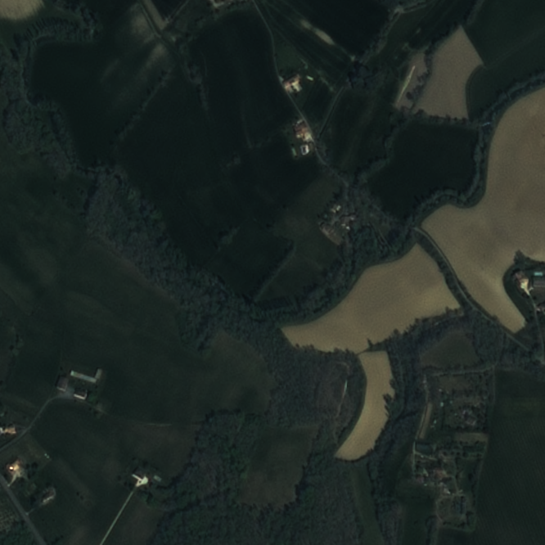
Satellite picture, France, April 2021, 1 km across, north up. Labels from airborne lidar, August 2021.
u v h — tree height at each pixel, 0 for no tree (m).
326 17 0
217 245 0
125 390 0
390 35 0
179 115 0
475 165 7
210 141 0
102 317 0
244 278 0
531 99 0
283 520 21
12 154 0
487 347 18
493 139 0
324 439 17
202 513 26
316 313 8
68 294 0
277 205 0
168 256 25
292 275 0
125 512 0
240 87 0
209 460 21
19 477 0
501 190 0
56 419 0
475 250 0
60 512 0
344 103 0
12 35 0
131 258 14
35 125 25
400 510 13
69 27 22
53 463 0
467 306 13
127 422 0
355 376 12
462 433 6
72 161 24
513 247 0
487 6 0
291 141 0
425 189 0
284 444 0
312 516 20
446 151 0
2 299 0
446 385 0
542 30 0
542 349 11
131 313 0
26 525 9
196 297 20
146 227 14
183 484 21
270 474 0
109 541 0
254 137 0
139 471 0
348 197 13
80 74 0
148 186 0
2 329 0
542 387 0
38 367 0
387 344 7
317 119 0
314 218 0
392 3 16
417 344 8
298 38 0
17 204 0
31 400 0
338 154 0
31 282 0
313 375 10
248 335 20
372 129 0
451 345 0
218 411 0
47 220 0
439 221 0
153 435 0
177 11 0
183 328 10
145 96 0
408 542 0
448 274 17
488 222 0
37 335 0
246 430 10
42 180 0
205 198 0
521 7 0
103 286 0
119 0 0
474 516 14
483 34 0
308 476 16
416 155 0
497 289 0
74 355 0
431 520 8
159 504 17
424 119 15
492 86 0
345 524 13
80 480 0
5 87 17
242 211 0
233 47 0
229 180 0
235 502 8
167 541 20
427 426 0
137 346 0
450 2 0
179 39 0
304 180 0
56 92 0
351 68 0
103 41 0
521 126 0
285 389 16
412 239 23
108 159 0
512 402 0
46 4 0
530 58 0
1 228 0
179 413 0
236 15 0
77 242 0
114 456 0
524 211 0
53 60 0
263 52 0
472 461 0
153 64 0
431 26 0
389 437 13
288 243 14
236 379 0
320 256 0
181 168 0
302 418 18
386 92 0
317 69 0
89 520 0
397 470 0
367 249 14
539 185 0
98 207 20
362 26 0
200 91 12
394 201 0
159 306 0
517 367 16
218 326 17
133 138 0
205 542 18
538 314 6
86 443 0
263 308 0
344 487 15
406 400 9
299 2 0
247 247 0
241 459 21
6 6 0
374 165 17
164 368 0
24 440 0
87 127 0
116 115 0
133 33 0
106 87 0
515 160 0
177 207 0
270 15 0
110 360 0
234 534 16
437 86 0
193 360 0
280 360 16
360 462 9
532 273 0
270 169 0
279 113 0
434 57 17
